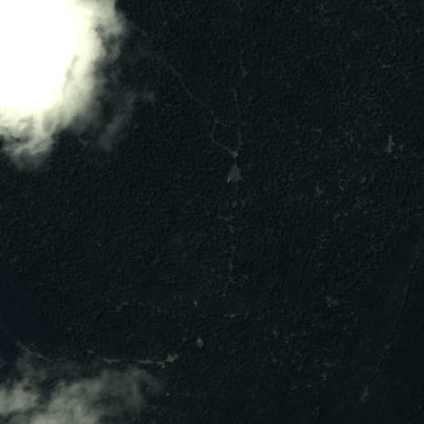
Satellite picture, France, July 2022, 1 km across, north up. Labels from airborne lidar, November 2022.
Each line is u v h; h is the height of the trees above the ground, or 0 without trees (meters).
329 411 20
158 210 23
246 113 17
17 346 17
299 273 15
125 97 22
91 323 20
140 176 18
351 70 16
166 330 19
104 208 19
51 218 14
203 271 22
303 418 14
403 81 17
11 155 18
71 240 21
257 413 17
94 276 14
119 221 18
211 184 25
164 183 21
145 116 13
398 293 10
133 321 22
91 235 14
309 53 21
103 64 16
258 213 17
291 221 19
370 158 18
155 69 21
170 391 13
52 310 20
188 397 12
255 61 15
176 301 17
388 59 25
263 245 21
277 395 16
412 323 21
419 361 20
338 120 16
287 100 15
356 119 18
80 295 24
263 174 18
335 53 16
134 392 17
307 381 14
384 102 26
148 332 17
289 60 13
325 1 19
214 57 17
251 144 15
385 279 16
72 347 21
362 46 17
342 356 20
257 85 21
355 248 24
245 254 19
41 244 23
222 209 22
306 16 14
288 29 21
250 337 20
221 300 16
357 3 19
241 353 17
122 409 26
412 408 19
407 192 11
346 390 19
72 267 21
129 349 15
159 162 19
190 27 21
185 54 19
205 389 18
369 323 17
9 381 22
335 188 10
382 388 12
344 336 18
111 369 14
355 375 18
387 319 15
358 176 11
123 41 28
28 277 21
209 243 8
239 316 13
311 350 18
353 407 15
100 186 20
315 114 20
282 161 19
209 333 21
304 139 18
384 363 15
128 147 13
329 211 17
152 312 22
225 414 14
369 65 16
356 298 11
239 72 16
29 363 18
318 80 13
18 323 13
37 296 21
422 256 13
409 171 23
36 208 17
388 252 18
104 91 16
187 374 16
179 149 18
